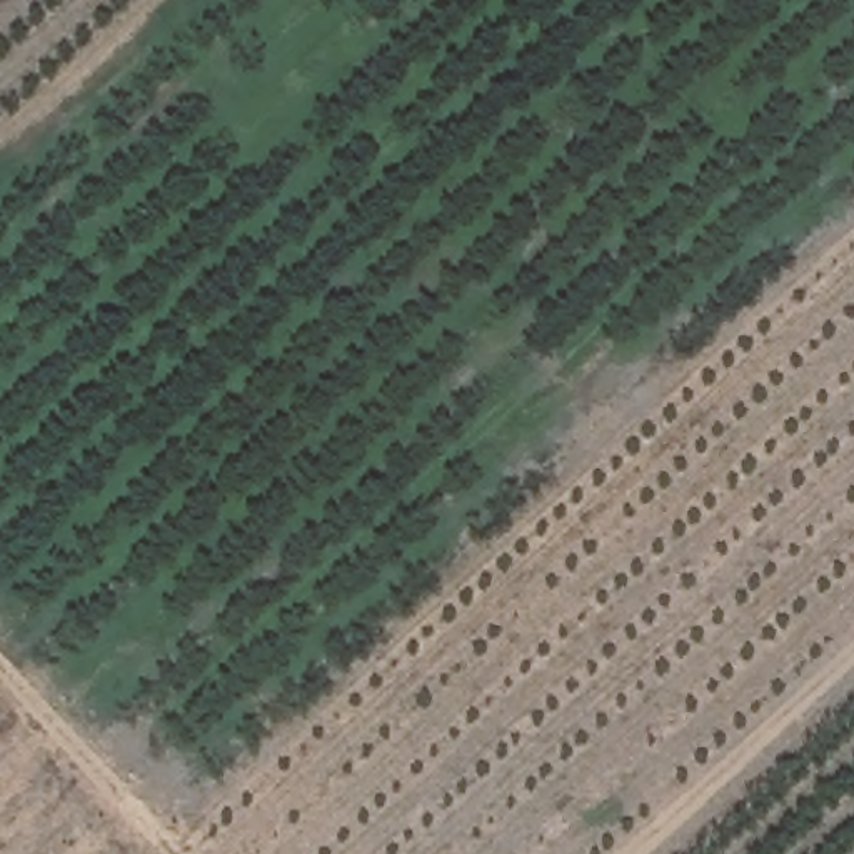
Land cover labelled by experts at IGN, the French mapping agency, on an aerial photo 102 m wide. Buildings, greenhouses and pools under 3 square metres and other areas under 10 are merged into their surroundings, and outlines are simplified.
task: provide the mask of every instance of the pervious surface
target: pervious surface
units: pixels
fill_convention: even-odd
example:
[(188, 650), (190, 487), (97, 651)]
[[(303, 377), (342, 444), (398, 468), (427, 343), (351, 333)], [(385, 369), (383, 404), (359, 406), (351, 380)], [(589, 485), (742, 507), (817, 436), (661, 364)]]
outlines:
[(50, 671), (13, 667), (13, 661), (0, 651), (0, 687), (10, 694), (17, 714), (30, 714), (40, 721), (40, 734), (33, 734), (37, 744), (43, 751), (60, 751), (67, 761), (73, 761), (80, 771), (80, 787), (103, 811), (120, 814), (133, 827), (133, 847), (140, 854), (193, 854), (203, 831), (193, 827), (200, 824), (207, 797), (220, 784), (220, 777), (190, 784), (190, 767), (183, 764), (183, 754), (177, 747), (163, 751), (163, 757), (150, 757), (147, 737), (157, 721), (147, 714), (137, 714), (137, 721), (130, 724), (77, 731), (77, 724), (70, 724), (60, 714), (67, 707), (67, 697), (50, 684)]

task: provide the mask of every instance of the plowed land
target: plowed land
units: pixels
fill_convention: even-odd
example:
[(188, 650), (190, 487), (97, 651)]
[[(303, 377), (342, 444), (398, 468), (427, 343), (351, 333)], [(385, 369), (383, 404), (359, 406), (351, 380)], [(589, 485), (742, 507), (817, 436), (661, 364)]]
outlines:
[(681, 827), (697, 821), (711, 797), (717, 797), (731, 781), (744, 777), (781, 741), (787, 727), (807, 727), (807, 717), (814, 711), (827, 707), (824, 701), (831, 697), (831, 691), (854, 674), (854, 203), (847, 207), (847, 227), (837, 234), (834, 244), (827, 244), (817, 257), (794, 260), (794, 267), (781, 270), (781, 277), (761, 290), (757, 304), (744, 307), (734, 320), (721, 324), (717, 337), (704, 350), (664, 364), (641, 390), (634, 390), (634, 397), (614, 397), (607, 404), (590, 407), (590, 414), (577, 417), (574, 427), (564, 430), (557, 440), (560, 450), (554, 454), (554, 484), (544, 487), (534, 500), (527, 500), (524, 510), (514, 514), (514, 524), (497, 537), (474, 540), (470, 530), (464, 530), (454, 547), (454, 564), (440, 574), (437, 594), (424, 597), (410, 617), (387, 620), (387, 644), (377, 644), (367, 657), (354, 661), (344, 684), (320, 697), (307, 714), (277, 724), (277, 734), (260, 741), (260, 751), (247, 767), (230, 767), (220, 777), (220, 784), (207, 797), (200, 824), (193, 827), (203, 831), (193, 854), (590, 854), (594, 844), (584, 834), (590, 824), (584, 824), (580, 817), (604, 797), (620, 801), (634, 821), (634, 831), (624, 831), (614, 841), (617, 854), (657, 854)]
[(7, 57), (0, 57), (0, 93), (13, 90), (23, 80), (23, 73), (37, 70), (40, 57), (50, 57), (60, 40), (73, 37), (77, 23), (93, 20), (97, 3), (103, 0), (60, 0), (60, 7), (43, 13), (43, 23), (37, 23), (27, 33), (27, 40), (20, 40)]

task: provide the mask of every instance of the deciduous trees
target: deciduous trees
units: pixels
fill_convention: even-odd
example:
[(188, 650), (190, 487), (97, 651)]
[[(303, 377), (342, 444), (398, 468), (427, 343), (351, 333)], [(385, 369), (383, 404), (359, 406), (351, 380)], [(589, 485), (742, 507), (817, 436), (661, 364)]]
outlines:
[(580, 817), (584, 824), (590, 824), (584, 834), (594, 844), (590, 854), (617, 854), (614, 841), (624, 831), (634, 831), (634, 821), (620, 801), (604, 797)]
[(67, 761), (60, 751), (43, 751), (37, 744), (33, 734), (40, 734), (40, 721), (30, 714), (17, 714), (10, 694), (0, 687), (0, 854), (140, 854), (133, 847), (133, 827), (120, 814), (103, 811), (80, 787), (80, 771), (73, 761)]
[(43, 13), (60, 7), (60, 0), (0, 0), (0, 57), (7, 57), (20, 40), (27, 40), (27, 33), (37, 23), (43, 23)]
[(824, 701), (827, 707), (814, 711), (807, 717), (807, 727), (787, 727), (781, 741), (744, 777), (731, 781), (717, 797), (711, 797), (697, 821), (681, 827), (657, 854), (854, 854), (854, 674), (831, 691), (831, 697)]
[(717, 337), (721, 324), (734, 320), (744, 307), (757, 304), (761, 290), (781, 277), (781, 270), (794, 267), (794, 260), (817, 257), (827, 244), (834, 244), (837, 234), (847, 227), (847, 207), (854, 203), (854, 0), (103, 0), (97, 3), (93, 20), (77, 23), (73, 37), (60, 40), (50, 57), (40, 57), (37, 70), (23, 73), (23, 80), (13, 90), (0, 93), (0, 651), (13, 661), (13, 667), (50, 671), (50, 684), (67, 697), (67, 707), (60, 714), (70, 724), (77, 724), (77, 731), (130, 724), (137, 721), (137, 714), (147, 714), (157, 721), (147, 737), (150, 757), (163, 757), (163, 751), (177, 747), (183, 754), (183, 764), (190, 767), (190, 784), (220, 777), (230, 767), (247, 767), (260, 751), (260, 741), (277, 734), (277, 724), (307, 714), (320, 697), (344, 684), (354, 661), (367, 657), (377, 644), (387, 644), (387, 620), (410, 617), (424, 597), (437, 594), (440, 574), (454, 564), (454, 547), (464, 530), (470, 530), (474, 540), (497, 537), (514, 524), (514, 514), (524, 510), (527, 500), (534, 500), (544, 487), (554, 484), (554, 454), (560, 450), (557, 440), (564, 430), (574, 427), (577, 417), (590, 414), (590, 407), (607, 404), (614, 397), (634, 397), (634, 390), (641, 390), (664, 364), (704, 350)]

